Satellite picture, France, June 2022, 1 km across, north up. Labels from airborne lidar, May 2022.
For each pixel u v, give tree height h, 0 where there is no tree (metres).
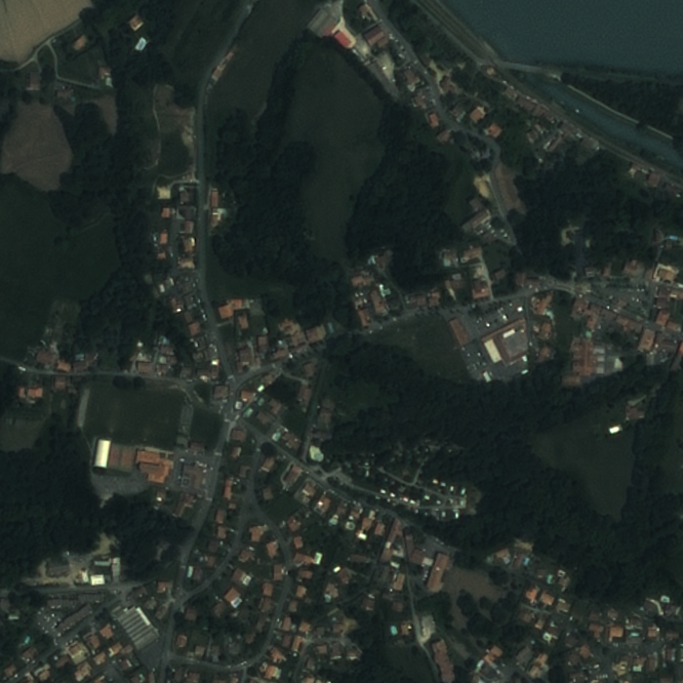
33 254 0
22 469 17
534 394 20
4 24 0
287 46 0
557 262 23
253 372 0
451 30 0
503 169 0
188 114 0
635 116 13
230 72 0
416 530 9
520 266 15
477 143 13
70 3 0
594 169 16
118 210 22
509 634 18
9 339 0
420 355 0
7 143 0
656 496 11
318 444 13
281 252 34
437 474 17
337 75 0
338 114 0
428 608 8
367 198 24
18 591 15
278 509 0
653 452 29
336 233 0
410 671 0
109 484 0
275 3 0
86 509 18
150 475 0
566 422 19
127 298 24
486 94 8
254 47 0
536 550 12
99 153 11
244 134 18
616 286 10
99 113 21
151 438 0
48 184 0
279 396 10
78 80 0
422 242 33
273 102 14
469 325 0
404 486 6
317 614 8
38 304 0
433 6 0
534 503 33
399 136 21
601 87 11
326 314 20
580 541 35
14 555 21
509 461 33
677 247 6
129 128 26
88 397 0
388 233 16
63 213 19
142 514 24
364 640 25
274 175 12
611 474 0
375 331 0
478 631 24
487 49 0
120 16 12
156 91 0
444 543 14
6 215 0
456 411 33
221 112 0
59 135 0
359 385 19
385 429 18
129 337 21
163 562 8
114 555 12
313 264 21
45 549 18
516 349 0
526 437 21
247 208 15
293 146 8
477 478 26
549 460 0
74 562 0
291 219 27
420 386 26
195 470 0
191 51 0
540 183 13
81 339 13
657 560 26
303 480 0
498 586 14
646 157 11
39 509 24
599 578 31
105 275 0
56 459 20
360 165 0
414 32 26
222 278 0
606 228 33
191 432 0
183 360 13
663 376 26
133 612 0
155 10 19
